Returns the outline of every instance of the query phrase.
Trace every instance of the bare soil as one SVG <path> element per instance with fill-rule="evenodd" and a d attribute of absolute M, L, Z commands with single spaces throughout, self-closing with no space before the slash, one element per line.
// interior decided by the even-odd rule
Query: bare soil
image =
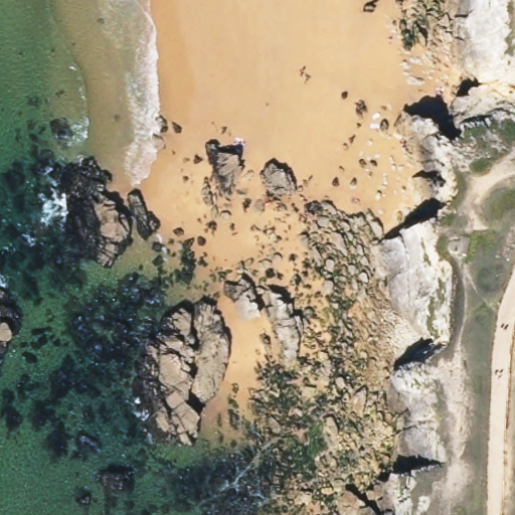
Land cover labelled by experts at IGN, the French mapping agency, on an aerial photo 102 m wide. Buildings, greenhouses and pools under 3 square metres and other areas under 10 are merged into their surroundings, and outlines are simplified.
<path fill-rule="evenodd" d="M 52 169 L 44 167 L 42 171 L 44 181 L 50 185 L 52 199 L 48 199 L 42 205 L 40 221 L 50 223 L 52 217 L 58 217 L 60 227 L 64 227 L 68 213 L 66 195 L 58 193 L 58 181 L 52 177 Z"/>
<path fill-rule="evenodd" d="M 515 515 L 515 322 L 509 346 L 509 384 L 503 431 L 503 489 L 511 491 L 509 515 Z"/>
<path fill-rule="evenodd" d="M 119 290 L 123 290 L 125 296 L 131 296 L 133 300 L 137 300 L 139 296 L 145 300 L 139 310 L 139 326 L 129 330 L 129 336 L 147 352 L 153 356 L 153 360 L 161 364 L 161 382 L 165 394 L 169 396 L 167 400 L 173 406 L 173 418 L 167 418 L 165 412 L 159 412 L 157 424 L 161 431 L 177 433 L 181 443 L 163 445 L 153 441 L 153 437 L 147 437 L 139 428 L 139 422 L 147 420 L 149 412 L 137 410 L 137 404 L 141 402 L 141 398 L 137 398 L 133 392 L 137 372 L 129 370 L 129 378 L 121 378 L 119 382 L 103 386 L 99 396 L 87 396 L 68 390 L 56 406 L 56 414 L 66 414 L 64 428 L 68 433 L 68 445 L 64 457 L 70 461 L 87 461 L 97 473 L 101 471 L 101 483 L 107 487 L 105 515 L 453 515 L 453 507 L 457 505 L 457 499 L 463 493 L 471 473 L 469 465 L 463 461 L 463 453 L 469 437 L 467 420 L 473 416 L 475 398 L 471 390 L 463 388 L 467 374 L 463 370 L 465 350 L 463 338 L 459 338 L 459 326 L 463 318 L 463 286 L 475 284 L 475 276 L 471 274 L 471 268 L 465 260 L 467 241 L 471 239 L 473 231 L 467 231 L 467 217 L 459 209 L 459 205 L 465 201 L 469 181 L 475 175 L 485 175 L 495 163 L 499 163 L 505 155 L 511 153 L 511 147 L 515 145 L 515 0 L 46 0 L 46 36 L 42 56 L 48 60 L 50 70 L 46 70 L 44 80 L 50 87 L 46 101 L 50 105 L 52 115 L 56 117 L 56 121 L 50 123 L 54 135 L 48 139 L 48 145 L 56 161 L 60 163 L 82 163 L 84 157 L 97 157 L 99 167 L 111 171 L 111 183 L 99 183 L 89 189 L 89 193 L 95 193 L 99 199 L 95 211 L 101 221 L 101 231 L 103 235 L 119 241 L 125 235 L 133 239 L 133 245 L 117 260 L 113 255 L 115 245 L 107 245 L 99 255 L 99 262 L 89 262 L 80 262 L 80 268 L 95 288 L 101 284 L 117 286 Z M 302 398 L 314 400 L 318 394 L 322 394 L 332 374 L 332 362 L 318 348 L 318 344 L 310 340 L 310 334 L 318 332 L 322 340 L 330 340 L 330 326 L 334 324 L 332 314 L 336 308 L 348 312 L 348 316 L 354 320 L 354 330 L 350 330 L 350 336 L 356 336 L 354 346 L 358 348 L 358 356 L 376 358 L 376 362 L 364 366 L 364 374 L 356 378 L 354 386 L 346 384 L 342 378 L 336 380 L 338 388 L 346 392 L 346 404 L 350 404 L 358 416 L 368 414 L 370 420 L 364 424 L 364 437 L 358 437 L 356 433 L 338 433 L 334 420 L 326 420 L 322 431 L 326 449 L 316 453 L 314 457 L 316 477 L 304 481 L 302 475 L 298 475 L 296 471 L 296 459 L 288 451 L 304 437 L 304 428 L 280 426 L 280 408 L 274 408 L 270 402 L 272 396 L 280 396 L 280 388 L 278 384 L 258 380 L 258 376 L 264 372 L 266 364 L 282 364 L 286 370 L 296 372 L 294 384 L 302 392 Z"/>
<path fill-rule="evenodd" d="M 511 264 L 513 268 L 515 268 L 515 223 L 509 229 L 503 243 L 505 264 Z"/>
<path fill-rule="evenodd" d="M 87 489 L 76 489 L 76 503 L 80 507 L 89 507 L 93 493 Z"/>

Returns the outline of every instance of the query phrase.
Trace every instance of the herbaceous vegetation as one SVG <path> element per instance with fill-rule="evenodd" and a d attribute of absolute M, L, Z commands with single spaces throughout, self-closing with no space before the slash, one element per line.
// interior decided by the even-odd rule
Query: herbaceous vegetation
<path fill-rule="evenodd" d="M 159 412 L 165 412 L 167 418 L 173 418 L 173 406 L 167 400 L 169 396 L 165 394 L 161 382 L 161 364 L 153 360 L 153 356 L 147 352 L 143 354 L 143 358 L 139 358 L 137 372 L 133 392 L 137 398 L 141 398 L 141 402 L 137 404 L 137 410 L 149 412 L 147 420 L 139 422 L 139 428 L 147 437 L 153 437 L 153 441 L 163 445 L 181 443 L 177 433 L 161 431 L 157 424 Z"/>
<path fill-rule="evenodd" d="M 288 451 L 296 459 L 296 471 L 298 475 L 302 475 L 304 481 L 316 477 L 314 457 L 316 453 L 326 449 L 322 431 L 326 420 L 334 420 L 338 433 L 356 433 L 358 437 L 364 437 L 364 424 L 370 420 L 368 414 L 358 416 L 350 404 L 346 404 L 346 392 L 338 388 L 336 380 L 342 378 L 346 384 L 354 386 L 356 378 L 364 374 L 364 366 L 376 362 L 376 358 L 358 356 L 358 348 L 354 346 L 356 336 L 350 336 L 350 330 L 354 330 L 354 320 L 348 316 L 348 312 L 336 308 L 332 314 L 334 324 L 330 326 L 330 340 L 322 340 L 318 332 L 310 334 L 310 340 L 318 344 L 318 348 L 332 362 L 332 374 L 322 394 L 318 394 L 314 400 L 302 398 L 302 392 L 294 384 L 296 372 L 286 370 L 282 364 L 266 364 L 264 372 L 258 376 L 258 380 L 278 384 L 280 388 L 280 396 L 272 396 L 270 402 L 274 408 L 280 408 L 280 426 L 304 428 L 304 437 Z"/>
<path fill-rule="evenodd" d="M 467 374 L 463 388 L 471 390 L 475 398 L 473 416 L 467 420 L 469 437 L 463 453 L 463 461 L 469 465 L 471 473 L 463 493 L 457 499 L 457 505 L 453 507 L 453 515 L 487 515 L 491 360 L 495 342 L 495 322 L 513 268 L 511 264 L 505 264 L 503 243 L 509 229 L 515 223 L 515 185 L 495 185 L 489 191 L 489 195 L 483 201 L 481 215 L 481 221 L 485 221 L 485 229 L 473 231 L 471 239 L 467 241 L 465 260 L 471 268 L 471 274 L 475 276 L 475 284 L 463 286 L 463 318 L 459 326 L 459 338 L 463 338 L 465 350 L 463 370 Z"/>
<path fill-rule="evenodd" d="M 66 195 L 68 213 L 64 227 L 64 237 L 89 262 L 99 262 L 99 255 L 107 245 L 115 245 L 113 255 L 117 260 L 133 245 L 133 239 L 125 235 L 119 241 L 103 235 L 101 231 L 101 221 L 95 211 L 99 199 L 95 193 L 89 193 L 89 189 L 99 183 L 111 183 L 111 171 L 99 167 L 97 157 L 84 157 L 82 163 L 60 163 L 52 169 L 52 177 L 58 181 L 58 193 Z"/>

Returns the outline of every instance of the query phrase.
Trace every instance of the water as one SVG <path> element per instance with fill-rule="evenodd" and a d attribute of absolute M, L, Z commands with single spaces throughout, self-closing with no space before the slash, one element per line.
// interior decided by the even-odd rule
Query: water
<path fill-rule="evenodd" d="M 64 457 L 68 445 L 68 433 L 64 428 L 66 414 L 56 414 L 56 406 L 68 390 L 87 396 L 99 396 L 103 386 L 119 382 L 121 378 L 129 378 L 129 370 L 137 372 L 139 358 L 143 358 L 143 354 L 147 352 L 129 336 L 129 330 L 139 326 L 139 310 L 145 300 L 139 296 L 137 300 L 133 300 L 131 296 L 125 296 L 123 290 L 119 290 L 117 286 L 101 284 L 95 288 L 80 268 L 80 262 L 89 262 L 64 237 L 64 227 L 60 227 L 58 217 L 52 217 L 50 223 L 40 221 L 42 205 L 48 199 L 52 199 L 50 185 L 44 181 L 42 171 L 44 167 L 52 169 L 60 163 L 56 161 L 48 145 L 48 139 L 54 135 L 50 123 L 56 121 L 56 117 L 52 115 L 50 105 L 46 101 L 50 87 L 44 80 L 46 70 L 50 70 L 48 60 L 42 56 L 46 36 L 46 0 L 0 0 L 0 515 L 105 515 L 107 487 L 101 483 L 101 471 L 97 473 L 87 461 L 70 461 Z M 80 507 L 76 503 L 76 489 L 87 489 L 93 493 L 89 507 Z"/>

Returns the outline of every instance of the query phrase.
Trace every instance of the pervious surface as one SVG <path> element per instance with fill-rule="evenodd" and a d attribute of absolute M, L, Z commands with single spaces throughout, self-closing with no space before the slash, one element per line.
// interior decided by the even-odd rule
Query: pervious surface
<path fill-rule="evenodd" d="M 465 201 L 459 205 L 459 209 L 467 217 L 467 231 L 473 231 L 485 229 L 485 221 L 481 221 L 481 215 L 483 201 L 489 195 L 489 191 L 495 185 L 515 185 L 515 145 L 511 147 L 511 153 L 505 155 L 499 163 L 495 163 L 485 175 L 475 175 L 469 181 Z"/>
<path fill-rule="evenodd" d="M 513 268 L 495 322 L 495 342 L 491 360 L 487 515 L 509 515 L 511 491 L 503 489 L 503 431 L 509 384 L 509 346 L 515 322 L 515 268 Z"/>

